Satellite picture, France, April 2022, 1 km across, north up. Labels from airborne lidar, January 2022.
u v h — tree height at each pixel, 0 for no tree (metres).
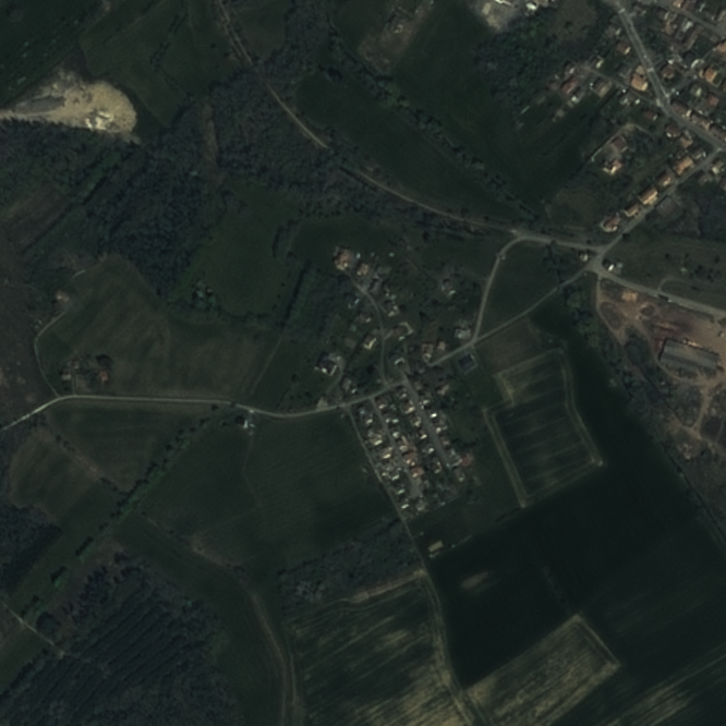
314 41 19
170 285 24
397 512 0
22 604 0
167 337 0
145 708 17
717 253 0
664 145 13
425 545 0
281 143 10
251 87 22
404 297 0
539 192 0
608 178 0
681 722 0
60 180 25
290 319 13
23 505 0
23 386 0
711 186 0
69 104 0
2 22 0
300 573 8
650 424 29
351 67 14
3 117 0
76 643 9
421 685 0
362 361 0
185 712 21
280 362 0
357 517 0
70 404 0
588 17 0
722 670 0
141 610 11
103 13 23
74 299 0
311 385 0
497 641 0
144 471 0
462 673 0
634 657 0
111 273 0
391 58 0
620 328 0
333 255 0
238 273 0
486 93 0
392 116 0
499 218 0
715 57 0
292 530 0
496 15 0
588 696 0
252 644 0
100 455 0
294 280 0
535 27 19
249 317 8
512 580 0
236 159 26
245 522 0
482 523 0
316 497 0
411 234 0
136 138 0
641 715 0
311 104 0
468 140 0
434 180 0
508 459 0
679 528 0
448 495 9
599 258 0
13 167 16
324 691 0
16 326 0
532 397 0
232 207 24
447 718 0
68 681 12
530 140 0
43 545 14
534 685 0
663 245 0
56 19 0
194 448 0
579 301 19
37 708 9
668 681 0
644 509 0
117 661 11
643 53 0
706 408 0
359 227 0
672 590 0
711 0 0
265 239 0
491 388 0
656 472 0
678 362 0
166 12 0
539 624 0
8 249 0
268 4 0
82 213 19
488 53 9
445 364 0
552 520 0
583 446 0
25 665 0
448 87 0
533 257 0
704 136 0
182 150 28
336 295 6
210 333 0
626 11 0
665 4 0
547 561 0
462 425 0
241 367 0
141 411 0
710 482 0
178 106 0
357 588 9
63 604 0
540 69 6
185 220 30
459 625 0
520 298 0
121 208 21
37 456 0
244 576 17
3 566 16
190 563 0
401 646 0
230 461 0
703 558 0
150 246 24
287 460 0
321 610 0
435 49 0
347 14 0
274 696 0
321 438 0
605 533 0
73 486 0
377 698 0
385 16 0
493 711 0
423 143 0
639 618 0
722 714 0
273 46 0
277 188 18
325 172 24
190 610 16
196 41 0
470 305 0
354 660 0
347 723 0
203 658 18
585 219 0
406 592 0
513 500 0
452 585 0
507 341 0
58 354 0
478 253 0
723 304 0
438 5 0
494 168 0
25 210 0
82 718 12
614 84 0
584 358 0
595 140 0
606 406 0
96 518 0
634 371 0
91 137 17
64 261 0
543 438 0
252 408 0
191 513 0
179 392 0
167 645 11
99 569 0
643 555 0
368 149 0
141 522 0
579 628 0
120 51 0
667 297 0
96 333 0
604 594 0
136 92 0
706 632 0
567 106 0
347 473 0
